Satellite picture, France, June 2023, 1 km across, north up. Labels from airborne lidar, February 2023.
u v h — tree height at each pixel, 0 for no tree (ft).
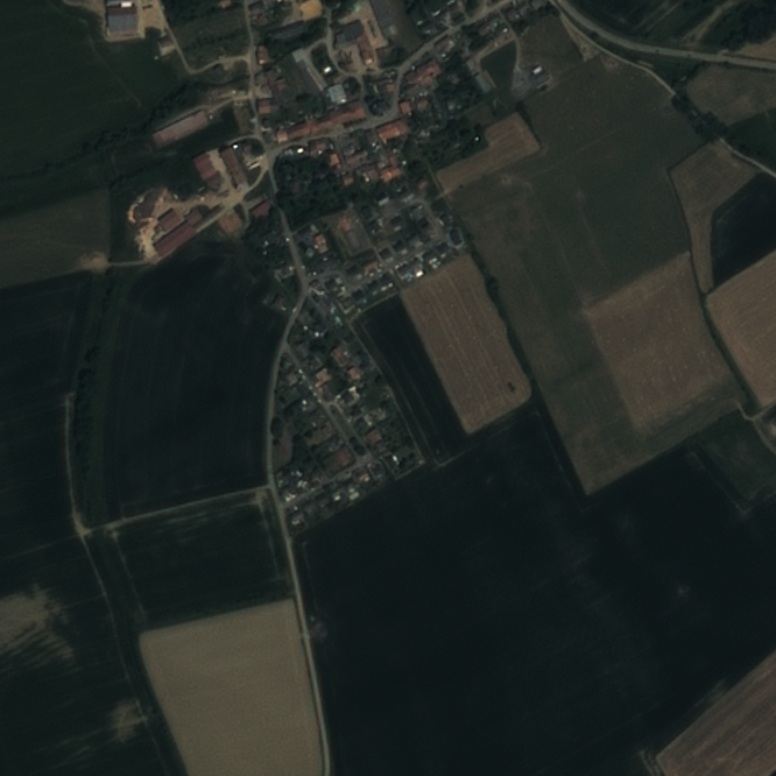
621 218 0
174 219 0
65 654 0
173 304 0
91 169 0
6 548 0
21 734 0
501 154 0
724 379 0
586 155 0
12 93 0
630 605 0
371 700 0
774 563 0
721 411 0
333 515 0
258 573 0
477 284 0
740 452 0
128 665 0
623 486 0
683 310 0
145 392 0
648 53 0
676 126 0
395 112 0
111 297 28
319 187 64
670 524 0
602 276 0
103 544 0
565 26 0
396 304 0
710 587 0
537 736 0
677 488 0
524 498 0
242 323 0
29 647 0
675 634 0
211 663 0
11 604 0
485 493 0
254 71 0
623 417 0
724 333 0
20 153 0
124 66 0
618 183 0
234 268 0
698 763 0
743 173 0
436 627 0
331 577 0
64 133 0
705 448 0
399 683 0
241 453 0
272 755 0
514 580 0
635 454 0
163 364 0
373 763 0
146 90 0
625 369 0
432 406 0
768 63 0
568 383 0
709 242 0
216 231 0
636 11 0
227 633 0
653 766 0
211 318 0
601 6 0
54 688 0
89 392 53
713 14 0
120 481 0
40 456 0
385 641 0
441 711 0
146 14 0
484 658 0
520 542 0
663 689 0
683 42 0
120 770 0
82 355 0
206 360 0
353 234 0
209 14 21
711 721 0
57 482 0
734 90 0
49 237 0
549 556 0
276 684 0
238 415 0
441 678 0
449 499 0
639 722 0
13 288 0
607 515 0
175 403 0
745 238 0
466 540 0
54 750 0
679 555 0
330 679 0
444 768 0
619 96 0
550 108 0
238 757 0
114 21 0
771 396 0
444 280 0
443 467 0
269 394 0
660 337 0
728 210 0
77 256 0
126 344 0
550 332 0
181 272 0
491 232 0
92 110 0
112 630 0
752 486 0
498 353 0
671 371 0
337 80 0
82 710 0
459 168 0
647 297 0
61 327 0
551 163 0
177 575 0
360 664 0
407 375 0
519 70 0
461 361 0
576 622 0
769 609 0
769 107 0
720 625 0
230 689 0
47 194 0
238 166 0
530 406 0
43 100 0
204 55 0
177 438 0
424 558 0
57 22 0
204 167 0
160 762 0
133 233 0
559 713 0
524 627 0
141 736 0
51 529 0
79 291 0
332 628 0
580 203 0
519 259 0
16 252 0
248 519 0
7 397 0
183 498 0
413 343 0
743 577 0
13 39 0
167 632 0
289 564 0
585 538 0
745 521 0
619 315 0
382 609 0
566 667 0
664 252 0
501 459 0
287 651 0
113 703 0
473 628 0
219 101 0
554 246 0
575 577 0
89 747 0
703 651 0
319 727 0
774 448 0
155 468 0
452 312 0
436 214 0
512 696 0
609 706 0
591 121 0
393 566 0
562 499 0
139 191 0
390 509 0
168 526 0
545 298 0
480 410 0
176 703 0
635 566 0
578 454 0
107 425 0
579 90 0
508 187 0
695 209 0
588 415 0
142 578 0
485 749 0
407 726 0
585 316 0
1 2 0
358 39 0
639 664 0
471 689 0
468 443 0
